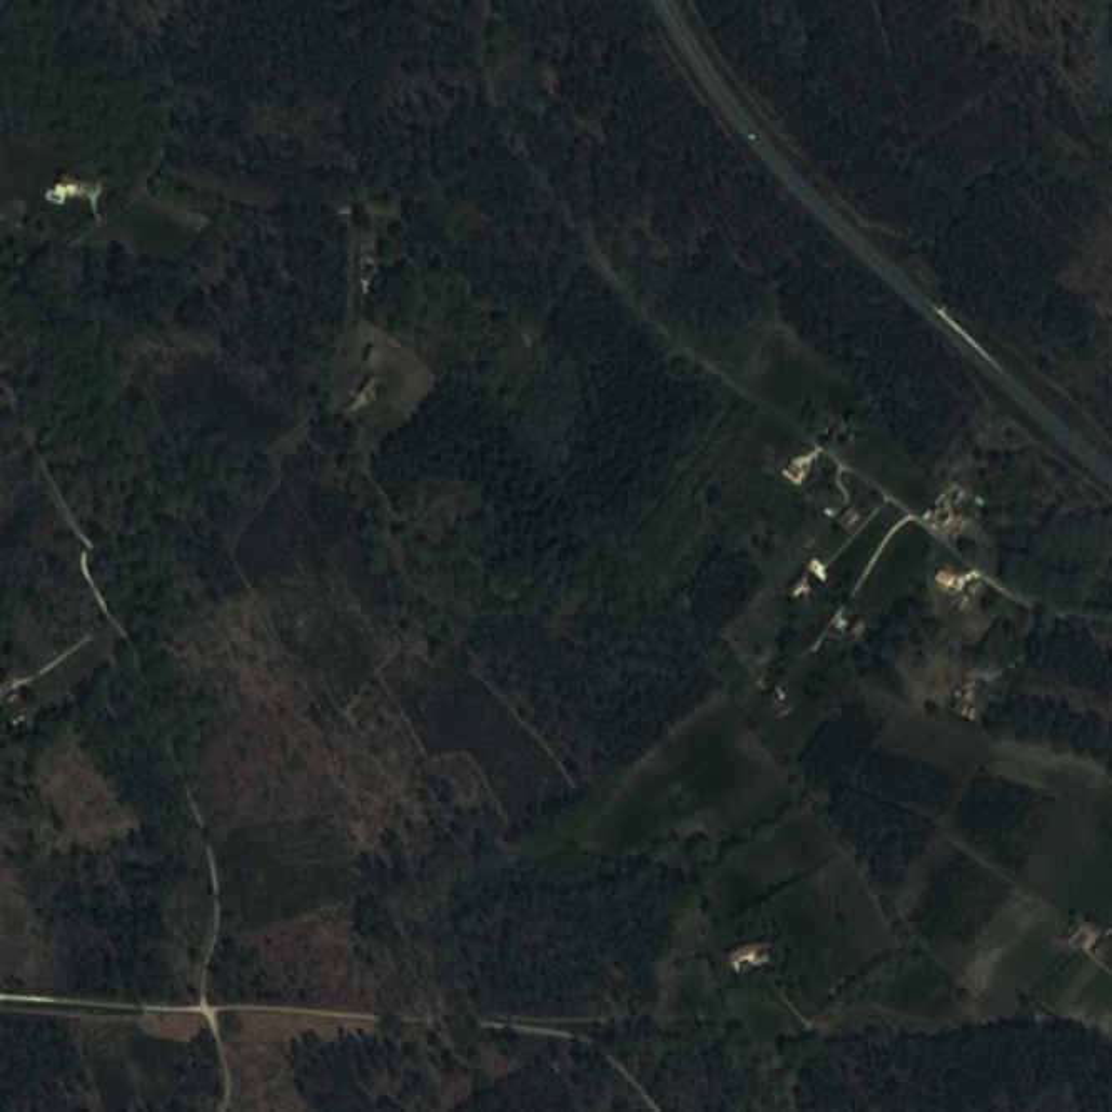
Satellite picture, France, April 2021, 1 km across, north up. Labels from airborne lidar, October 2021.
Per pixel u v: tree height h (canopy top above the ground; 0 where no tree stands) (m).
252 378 6
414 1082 12
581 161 23
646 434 21
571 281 17
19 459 6
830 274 8
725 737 0
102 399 17
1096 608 10
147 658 21
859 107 17
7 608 13
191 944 8
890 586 0
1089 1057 27
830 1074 21
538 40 18
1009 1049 26
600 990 19
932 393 19
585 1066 22
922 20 17
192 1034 0
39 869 22
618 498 17
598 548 20
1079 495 13
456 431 17
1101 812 0
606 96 17
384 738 7
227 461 22
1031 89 14
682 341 23
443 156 28
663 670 24
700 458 7
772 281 11
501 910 21
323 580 6
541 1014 11
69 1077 25
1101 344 9
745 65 7
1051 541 21
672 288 19
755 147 0
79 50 26
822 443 6
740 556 6
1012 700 8
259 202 0
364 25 22
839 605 7
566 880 13
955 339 0
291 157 24
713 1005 0
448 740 6
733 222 16
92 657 0
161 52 9
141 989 22
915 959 10
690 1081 13
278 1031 0
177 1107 11
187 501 22
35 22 26
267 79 24
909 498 0
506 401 21
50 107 26
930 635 23
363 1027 0
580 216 22
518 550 14
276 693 0
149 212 0
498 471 18
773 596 0
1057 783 0
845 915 10
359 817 9
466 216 22
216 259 15
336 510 8
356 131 21
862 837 17
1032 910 0
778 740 0
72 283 24
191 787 14
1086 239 18
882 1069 21
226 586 22
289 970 9
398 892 22
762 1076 24
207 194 8
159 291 26
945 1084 15
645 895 19
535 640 27
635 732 17
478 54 21
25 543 9
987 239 18
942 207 21
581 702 24
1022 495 12
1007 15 7
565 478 17
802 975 18
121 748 24
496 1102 13
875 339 18
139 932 23
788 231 17
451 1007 15
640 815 0
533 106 16
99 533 13
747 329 25
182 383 6
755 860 0
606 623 7
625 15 17
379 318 24
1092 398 10
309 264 24
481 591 24
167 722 22
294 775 16
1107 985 0
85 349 23
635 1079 18
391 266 9
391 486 17
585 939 19
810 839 0
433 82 14
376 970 19
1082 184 13
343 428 8
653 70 15
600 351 20
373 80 24
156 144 18
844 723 6
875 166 22
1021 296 15
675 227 22
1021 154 20
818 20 21
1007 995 0
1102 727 7
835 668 6
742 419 8
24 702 8
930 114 17
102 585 17
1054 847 0
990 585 0
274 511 7
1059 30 6
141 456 19
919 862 16
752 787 0
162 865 15
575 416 19
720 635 15
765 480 6
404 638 20
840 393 0
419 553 21
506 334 13
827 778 8
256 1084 0
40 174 0
